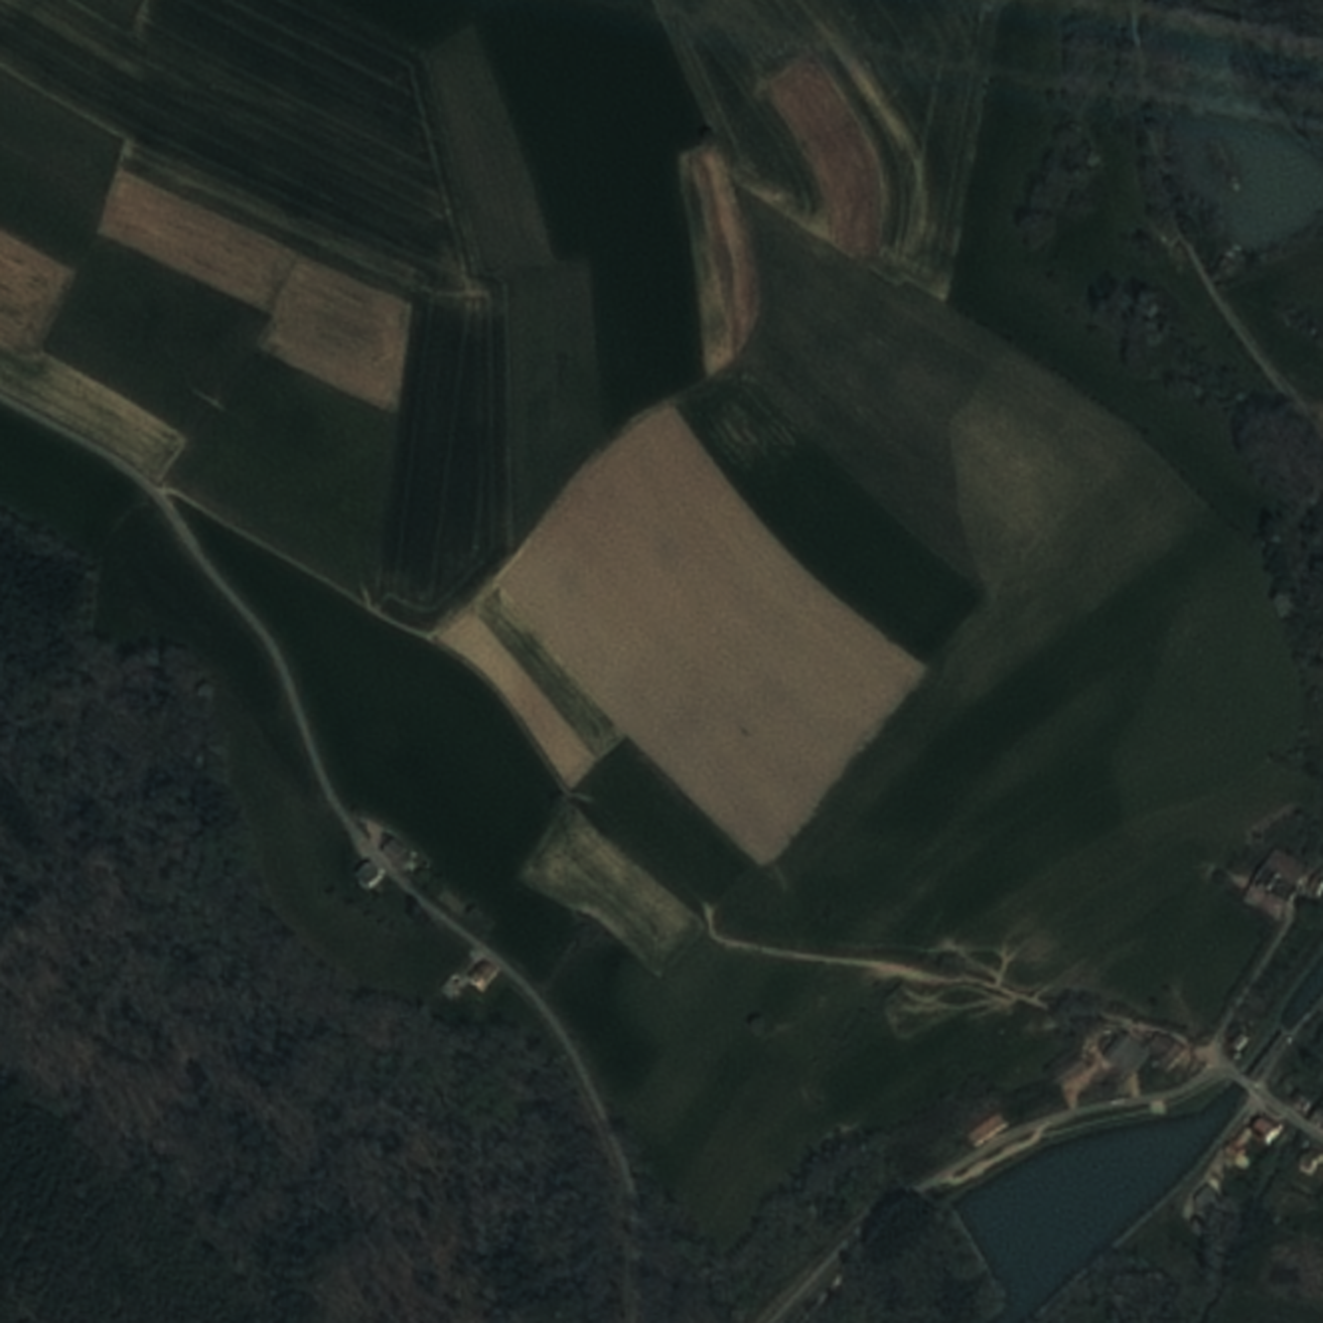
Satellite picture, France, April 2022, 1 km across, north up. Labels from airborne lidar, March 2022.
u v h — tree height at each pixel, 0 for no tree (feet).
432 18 0
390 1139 91
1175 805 0
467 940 0
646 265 0
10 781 57
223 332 0
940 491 0
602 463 0
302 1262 91
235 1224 101
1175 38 0
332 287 0
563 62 0
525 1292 78
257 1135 95
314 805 0
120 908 97
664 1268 97
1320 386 0
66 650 86
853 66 0
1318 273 0
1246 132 0
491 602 0
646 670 0
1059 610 0
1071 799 0
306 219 0
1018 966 0
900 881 0
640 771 0
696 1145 0
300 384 0
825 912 0
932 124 0
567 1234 71
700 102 0
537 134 0
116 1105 102
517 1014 0
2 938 97
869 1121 0
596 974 0
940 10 0
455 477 0
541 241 0
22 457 0
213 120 0
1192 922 0
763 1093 0
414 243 0
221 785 70
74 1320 23
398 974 0
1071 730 0
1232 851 0
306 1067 101
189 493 0
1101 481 0
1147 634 0
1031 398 0
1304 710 0
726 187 0
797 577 0
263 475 0
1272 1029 0
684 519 0
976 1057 0
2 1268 42
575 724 0
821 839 0
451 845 0
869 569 0
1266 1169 39
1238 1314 0
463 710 0
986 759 0
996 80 0
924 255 0
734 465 0
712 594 0
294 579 0
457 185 0
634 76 0
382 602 0
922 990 0
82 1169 30
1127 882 0
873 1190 101
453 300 0
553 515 0
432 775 0
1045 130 0
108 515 0
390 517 0
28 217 0
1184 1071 0
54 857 56
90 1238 28
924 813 0
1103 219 0
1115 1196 0
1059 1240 0
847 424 0
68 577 81
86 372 0
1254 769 0
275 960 88
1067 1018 71
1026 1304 0
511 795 0
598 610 0
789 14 0
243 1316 38
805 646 0
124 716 86
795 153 0
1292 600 57
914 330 0
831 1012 0
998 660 0
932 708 0
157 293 0
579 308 0
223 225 0
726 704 0
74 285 0
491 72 0
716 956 0
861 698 0
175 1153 104
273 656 0
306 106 0
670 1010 0
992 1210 0
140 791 76
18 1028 103
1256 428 86
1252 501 0
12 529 67
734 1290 47
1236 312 0
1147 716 0
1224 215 32
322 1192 83
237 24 0
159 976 110
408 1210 101
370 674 0
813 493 0
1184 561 0
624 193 0
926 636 0
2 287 0
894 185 0
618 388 0
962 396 0
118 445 0
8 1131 36
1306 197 0
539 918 0
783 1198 53
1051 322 0
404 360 0
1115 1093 0
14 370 0
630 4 0
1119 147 0
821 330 0
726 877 0
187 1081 117
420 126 0
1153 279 0
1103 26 22
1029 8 0
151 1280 30
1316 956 0
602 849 0
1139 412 0
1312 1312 0
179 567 0
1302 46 93
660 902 0
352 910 21
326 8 0
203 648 0
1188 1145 0
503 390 0
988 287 0
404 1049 82
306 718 0
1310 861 28
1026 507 0
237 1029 94
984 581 0
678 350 0
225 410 0
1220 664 0
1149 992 0
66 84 0
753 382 0
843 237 0
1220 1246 91
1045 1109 0
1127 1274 70
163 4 0
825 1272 0
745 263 0
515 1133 44
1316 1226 0
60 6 0
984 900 0
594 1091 0
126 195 0
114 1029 100
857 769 0
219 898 83
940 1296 72
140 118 0
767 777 0
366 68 0
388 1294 98
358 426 0
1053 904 0
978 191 0
